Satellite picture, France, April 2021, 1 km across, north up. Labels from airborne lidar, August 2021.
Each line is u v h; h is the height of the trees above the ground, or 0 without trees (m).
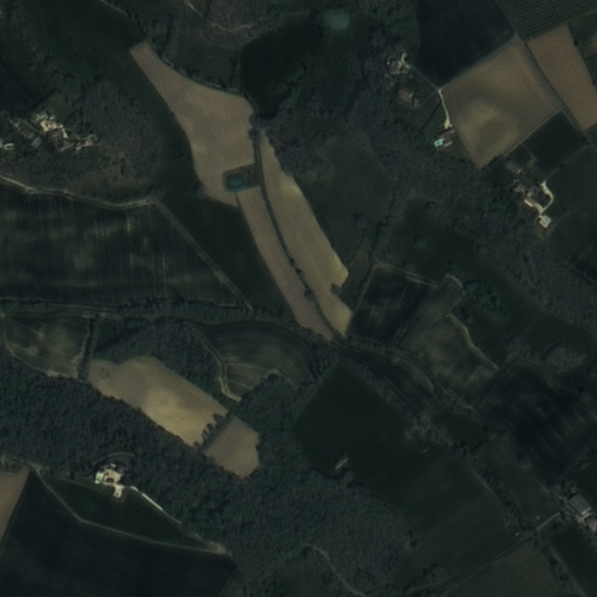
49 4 0
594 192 0
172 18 13
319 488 26
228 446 0
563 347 7
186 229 0
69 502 0
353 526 24
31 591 0
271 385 16
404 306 0
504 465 0
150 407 0
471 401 0
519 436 0
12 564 0
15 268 0
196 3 0
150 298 0
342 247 0
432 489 0
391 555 20
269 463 19
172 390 0
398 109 6
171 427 0
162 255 0
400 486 0
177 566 0
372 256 15
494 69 0
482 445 10
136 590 0
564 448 0
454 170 16
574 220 0
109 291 0
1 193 0
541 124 0
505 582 0
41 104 6
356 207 0
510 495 12
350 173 0
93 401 21
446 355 0
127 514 0
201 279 0
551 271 16
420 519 0
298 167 21
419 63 0
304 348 0
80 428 28
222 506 14
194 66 0
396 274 0
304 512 22
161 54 12
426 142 12
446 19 0
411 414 14
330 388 0
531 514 0
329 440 0
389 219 10
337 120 0
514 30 0
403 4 16
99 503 0
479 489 0
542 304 15
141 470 23
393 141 14
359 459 0
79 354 0
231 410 18
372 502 24
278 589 5
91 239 0
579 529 9
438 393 10
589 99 0
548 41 0
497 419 0
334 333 11
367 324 0
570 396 0
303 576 0
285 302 0
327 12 7
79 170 27
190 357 16
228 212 0
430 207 16
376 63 12
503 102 0
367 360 0
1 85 0
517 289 0
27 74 0
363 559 23
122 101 14
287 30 0
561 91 0
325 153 0
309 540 25
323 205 0
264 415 24
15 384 21
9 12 13
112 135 15
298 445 20
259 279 0
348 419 0
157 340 21
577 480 0
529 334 0
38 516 0
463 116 0
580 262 0
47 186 13
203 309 20
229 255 0
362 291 10
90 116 18
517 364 0
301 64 0
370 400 0
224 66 0
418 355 0
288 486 24
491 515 0
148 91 0
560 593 0
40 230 0
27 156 12
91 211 0
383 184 0
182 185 0
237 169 0
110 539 0
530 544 17
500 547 0
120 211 0
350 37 0
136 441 13
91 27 0
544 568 0
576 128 0
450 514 0
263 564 23
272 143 14
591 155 0
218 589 0
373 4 21
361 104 22
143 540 0
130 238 0
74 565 0
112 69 0
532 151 0
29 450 28
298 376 0
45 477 0
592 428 0
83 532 0
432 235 0
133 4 0
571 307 22
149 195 14
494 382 0
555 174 0
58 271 0
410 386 0
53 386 9
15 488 0
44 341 0
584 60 0
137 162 19
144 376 0
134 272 0
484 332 0
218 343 0
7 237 0
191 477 18
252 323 0
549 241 0
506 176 0
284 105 21
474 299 8
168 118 0
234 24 15
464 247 0
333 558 17
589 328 21
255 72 0
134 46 0
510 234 20
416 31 11
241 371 0
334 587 18
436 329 0
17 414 23
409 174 16
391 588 16
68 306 0
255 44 0
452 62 0
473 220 0
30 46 13
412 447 0
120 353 25
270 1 24
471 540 0
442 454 0
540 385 0
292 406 21
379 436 0
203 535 15
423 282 0
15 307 16
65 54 0
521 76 0
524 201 14
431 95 0
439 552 0
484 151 0
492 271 0
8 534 0
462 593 0
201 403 0
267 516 20
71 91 19
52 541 0
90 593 0
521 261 0
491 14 0
